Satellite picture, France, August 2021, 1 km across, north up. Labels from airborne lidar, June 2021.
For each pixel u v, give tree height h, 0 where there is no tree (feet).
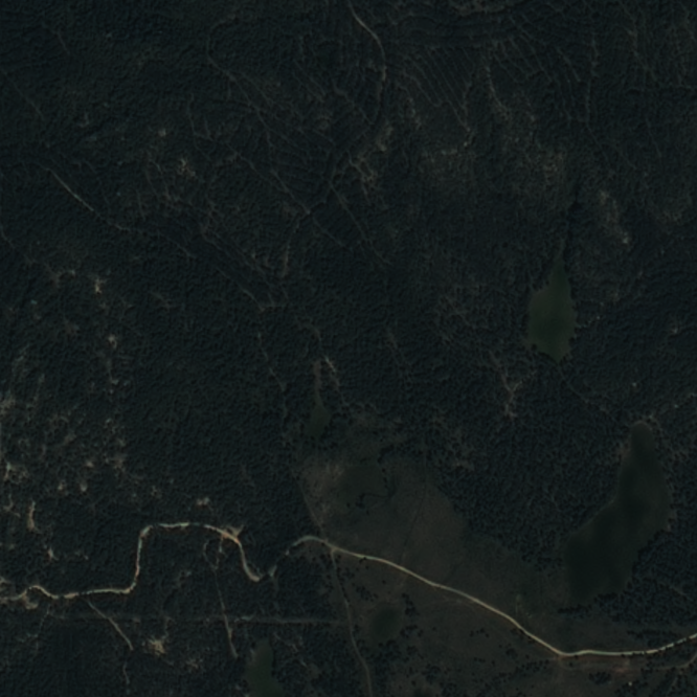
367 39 37
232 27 22
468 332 34
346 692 27
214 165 40
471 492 38
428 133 19
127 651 33
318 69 33
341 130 40
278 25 26
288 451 31
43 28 44
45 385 23
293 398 24
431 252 24
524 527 38
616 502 0
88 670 24
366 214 22
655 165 30
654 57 39
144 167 30
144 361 21
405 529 0
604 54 28
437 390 35
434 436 40
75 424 18
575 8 27
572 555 0
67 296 22
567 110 35
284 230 20
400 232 22
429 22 37
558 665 0
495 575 0
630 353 19
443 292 36
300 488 22
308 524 22
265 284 30
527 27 34
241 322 20
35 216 26
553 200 19
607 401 20
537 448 38
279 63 25
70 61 33
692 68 28
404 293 28
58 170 43
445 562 0
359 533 0
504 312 36
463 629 0
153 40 19
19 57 44
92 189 32
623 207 29
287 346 23
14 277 42
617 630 0
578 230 34
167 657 25
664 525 0
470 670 0
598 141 20
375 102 43
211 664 25
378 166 22
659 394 31
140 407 21
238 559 24
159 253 29
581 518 31
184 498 18
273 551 31
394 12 29
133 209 22
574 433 19
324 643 20
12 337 22
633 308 21
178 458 18
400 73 29
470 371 20
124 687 27
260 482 23
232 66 25
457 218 34
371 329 25
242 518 30
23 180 22
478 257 28
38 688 18
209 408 19
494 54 29
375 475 0
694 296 20
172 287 23
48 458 17
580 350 35
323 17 44
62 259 21
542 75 31
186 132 22
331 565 19
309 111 32
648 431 0
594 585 0
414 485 0
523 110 22
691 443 31
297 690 23
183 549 23
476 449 32
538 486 37
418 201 32
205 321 26
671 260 30
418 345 34
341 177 28
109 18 31
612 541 0
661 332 20
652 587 34
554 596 0
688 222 27
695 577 34
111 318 17
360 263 30
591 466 31
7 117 19
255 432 22
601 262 30
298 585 24
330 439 37
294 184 29
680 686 29
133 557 22
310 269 28
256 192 18
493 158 25
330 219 35
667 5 29
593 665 0
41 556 21
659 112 31
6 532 20
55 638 19
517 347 20
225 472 20
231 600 26
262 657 0
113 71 29
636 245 33
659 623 30
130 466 26
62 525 21
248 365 35
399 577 0
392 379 28
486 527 38
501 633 0
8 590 20
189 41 25
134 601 23
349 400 26
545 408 24
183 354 18
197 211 25
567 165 23
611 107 33
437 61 31
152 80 36
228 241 35
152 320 25
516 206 32
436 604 0
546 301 0
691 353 24
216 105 31
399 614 0
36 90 20
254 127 27
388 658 26
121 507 20
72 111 29
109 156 18
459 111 25
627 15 32
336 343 31
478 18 36
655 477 0
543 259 37
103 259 21
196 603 26
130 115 19
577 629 0
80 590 25
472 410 35
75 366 27
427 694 0
